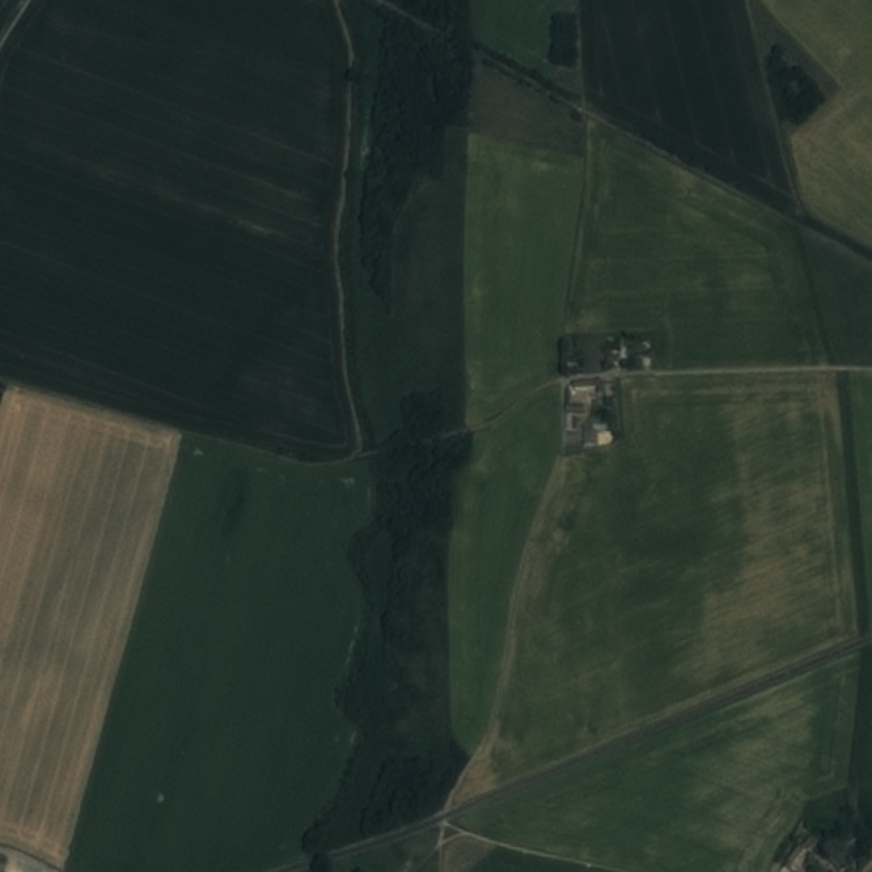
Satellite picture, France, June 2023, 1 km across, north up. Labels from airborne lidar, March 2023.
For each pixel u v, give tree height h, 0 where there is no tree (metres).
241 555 0
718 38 0
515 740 0
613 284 0
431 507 16
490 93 0
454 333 0
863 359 0
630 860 0
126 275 0
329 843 0
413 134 16
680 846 0
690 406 0
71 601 0
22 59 0
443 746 0
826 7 0
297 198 0
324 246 0
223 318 0
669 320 0
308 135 0
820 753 0
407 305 0
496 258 0
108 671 0
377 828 16
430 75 16
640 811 0
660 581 0
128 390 0
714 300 0
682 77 0
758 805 0
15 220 0
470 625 0
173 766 0
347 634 0
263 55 0
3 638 0
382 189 14
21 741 0
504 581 0
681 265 0
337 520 0
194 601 0
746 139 0
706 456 0
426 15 10
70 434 0
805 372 0
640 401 0
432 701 0
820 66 0
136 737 0
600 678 0
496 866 0
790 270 0
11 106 0
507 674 0
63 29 0
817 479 0
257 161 0
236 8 0
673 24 0
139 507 0
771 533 0
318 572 0
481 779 0
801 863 0
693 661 0
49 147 0
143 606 0
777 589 0
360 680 7
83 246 0
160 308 0
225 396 0
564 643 0
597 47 0
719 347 0
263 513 0
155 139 0
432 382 0
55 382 0
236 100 0
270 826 0
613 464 0
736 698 0
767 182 0
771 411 0
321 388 0
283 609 0
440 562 0
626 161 0
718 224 0
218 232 0
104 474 0
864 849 21
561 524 0
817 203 0
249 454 0
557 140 0
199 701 0
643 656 0
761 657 0
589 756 0
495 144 0
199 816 0
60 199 0
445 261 0
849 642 0
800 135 0
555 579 0
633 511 0
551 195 0
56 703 0
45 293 0
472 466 0
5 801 0
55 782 0
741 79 0
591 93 0
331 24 0
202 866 0
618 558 0
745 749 0
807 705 0
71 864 0
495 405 0
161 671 0
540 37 0
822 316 0
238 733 0
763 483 0
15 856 0
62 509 0
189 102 0
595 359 0
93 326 0
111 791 0
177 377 0
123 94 0
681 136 0
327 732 0
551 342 0
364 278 0
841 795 0
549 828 0
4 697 0
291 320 0
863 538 0
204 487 0
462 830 0
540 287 0
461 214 0
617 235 0
